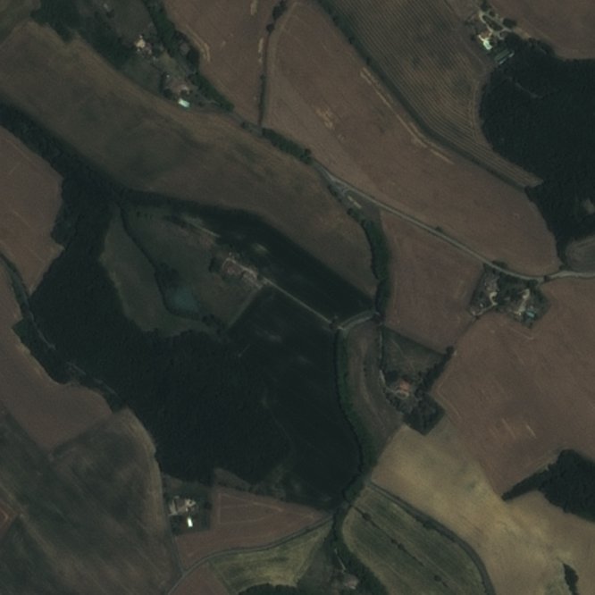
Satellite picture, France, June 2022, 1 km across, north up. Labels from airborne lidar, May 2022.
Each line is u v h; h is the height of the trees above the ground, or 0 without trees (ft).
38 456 0
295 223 0
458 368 0
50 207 0
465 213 0
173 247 0
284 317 0
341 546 51
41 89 0
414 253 0
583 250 0
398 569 0
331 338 0
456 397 0
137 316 0
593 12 0
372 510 0
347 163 0
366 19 0
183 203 28
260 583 0
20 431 0
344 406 57
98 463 0
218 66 0
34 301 53
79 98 0
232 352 50
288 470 0
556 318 0
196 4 0
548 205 27
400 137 0
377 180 0
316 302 0
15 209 0
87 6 0
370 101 0
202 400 59
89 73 0
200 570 0
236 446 65
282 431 57
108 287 61
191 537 0
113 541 0
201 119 0
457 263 0
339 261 0
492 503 0
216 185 0
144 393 62
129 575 0
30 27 0
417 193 0
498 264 39
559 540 0
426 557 0
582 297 0
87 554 0
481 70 0
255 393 64
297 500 0
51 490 0
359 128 0
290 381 0
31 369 0
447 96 0
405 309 0
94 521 0
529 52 34
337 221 0
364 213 0
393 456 0
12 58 0
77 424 0
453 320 0
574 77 38
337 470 0
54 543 0
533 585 0
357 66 0
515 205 0
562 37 0
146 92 0
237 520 0
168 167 0
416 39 0
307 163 50
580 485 66
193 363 63
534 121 45
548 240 0
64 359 39
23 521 0
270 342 0
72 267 56
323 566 0
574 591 46
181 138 0
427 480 0
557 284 0
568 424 0
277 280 0
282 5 43
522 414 0
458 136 0
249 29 0
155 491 0
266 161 0
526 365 0
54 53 0
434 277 0
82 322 60
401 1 0
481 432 0
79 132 0
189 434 58
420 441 0
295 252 0
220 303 0
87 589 0
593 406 0
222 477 0
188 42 24
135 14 0
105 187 111
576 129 38
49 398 0
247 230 0
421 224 0
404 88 0
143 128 0
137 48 27
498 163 0
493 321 0
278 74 0
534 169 36
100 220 70
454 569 0
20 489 0
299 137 0
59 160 60
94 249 62
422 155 0
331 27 0
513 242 0
